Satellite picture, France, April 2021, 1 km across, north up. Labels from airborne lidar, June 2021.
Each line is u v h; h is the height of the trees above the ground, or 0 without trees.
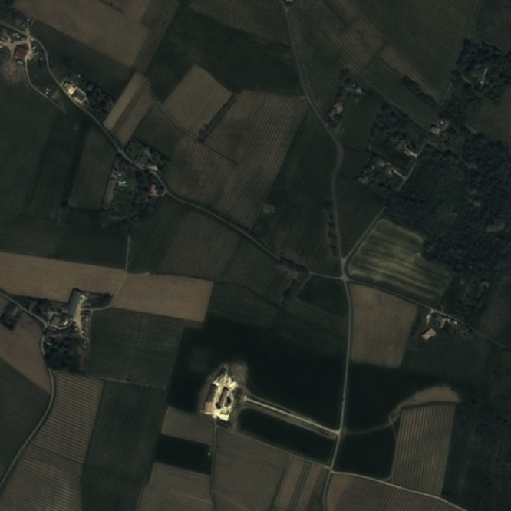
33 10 0
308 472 0
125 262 0
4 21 11
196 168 0
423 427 0
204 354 0
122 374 0
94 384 0
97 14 0
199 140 0
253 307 0
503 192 11
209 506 0
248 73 0
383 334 0
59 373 0
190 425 0
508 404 0
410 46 0
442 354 0
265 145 0
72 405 0
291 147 0
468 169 6
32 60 0
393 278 0
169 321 0
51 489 0
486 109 0
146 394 0
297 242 0
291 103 0
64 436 0
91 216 0
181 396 0
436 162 10
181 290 0
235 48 0
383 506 0
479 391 0
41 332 0
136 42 0
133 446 0
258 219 0
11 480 0
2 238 0
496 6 0
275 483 0
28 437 0
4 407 0
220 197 0
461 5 0
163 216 0
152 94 0
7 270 0
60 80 0
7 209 0
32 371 0
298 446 0
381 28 0
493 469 0
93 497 0
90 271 0
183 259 0
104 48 0
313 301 0
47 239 0
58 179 0
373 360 0
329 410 0
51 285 0
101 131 0
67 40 0
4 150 0
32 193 0
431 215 18
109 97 8
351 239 0
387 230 0
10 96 0
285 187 0
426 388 0
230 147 0
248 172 0
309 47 0
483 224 18
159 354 0
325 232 0
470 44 13
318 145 0
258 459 0
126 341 0
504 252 12
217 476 0
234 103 0
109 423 0
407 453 0
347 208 0
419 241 0
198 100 0
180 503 0
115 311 0
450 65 0
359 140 0
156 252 0
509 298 0
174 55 0
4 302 0
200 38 0
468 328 6
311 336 0
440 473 0
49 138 0
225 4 0
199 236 0
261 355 0
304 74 0
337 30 0
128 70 0
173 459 0
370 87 0
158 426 0
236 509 0
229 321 0
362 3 0
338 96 8
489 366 0
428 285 0
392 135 7
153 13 0
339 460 0
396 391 0
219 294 0
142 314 0
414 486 0
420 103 0
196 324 0
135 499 0
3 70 0
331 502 0
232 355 0
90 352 0
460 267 9
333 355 0
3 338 0
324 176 0
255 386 0
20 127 0
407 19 0
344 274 0
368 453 0
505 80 13
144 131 0
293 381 0
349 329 0
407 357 0
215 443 0
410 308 0
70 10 0
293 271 16
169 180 0
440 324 0
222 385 0
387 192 9
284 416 0
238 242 0
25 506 0
